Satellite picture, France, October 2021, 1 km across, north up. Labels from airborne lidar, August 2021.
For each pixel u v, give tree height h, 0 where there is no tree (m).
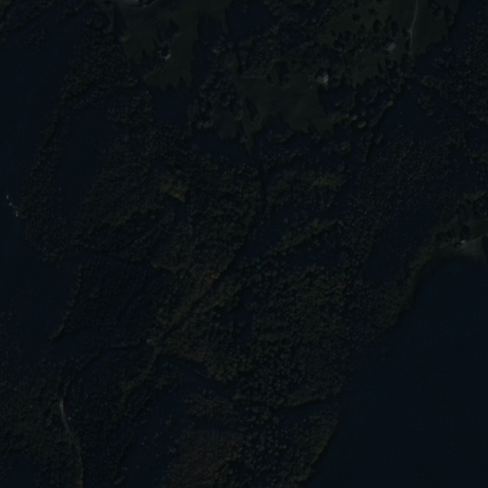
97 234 18
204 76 23
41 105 22
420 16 0
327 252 11
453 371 10
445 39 0
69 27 16
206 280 10
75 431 19
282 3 17
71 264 20
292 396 30
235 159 0
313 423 27
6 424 30
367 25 0
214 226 35
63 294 29
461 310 0
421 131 19
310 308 23
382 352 26
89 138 29
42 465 36
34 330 33
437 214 27
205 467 15
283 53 26
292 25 24
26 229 22
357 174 30
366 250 22
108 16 0
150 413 12
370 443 23
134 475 17
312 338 18
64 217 27
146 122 29
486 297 0
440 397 23
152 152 23
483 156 23
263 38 24
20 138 10
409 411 23
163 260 26
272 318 29
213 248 27
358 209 28
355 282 32
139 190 24
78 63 23
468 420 28
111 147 16
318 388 23
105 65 28
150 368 12
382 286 12
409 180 33
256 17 0
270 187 30
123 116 29
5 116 26
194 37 0
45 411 8
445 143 30
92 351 24
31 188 26
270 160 24
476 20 23
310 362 18
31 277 32
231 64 20
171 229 13
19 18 22
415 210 30
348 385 21
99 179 19
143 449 16
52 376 23
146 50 0
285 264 20
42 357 24
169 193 15
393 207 28
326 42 0
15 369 28
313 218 23
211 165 30
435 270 0
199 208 36
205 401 16
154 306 13
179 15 0
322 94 10
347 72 0
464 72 25
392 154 31
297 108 0
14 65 28
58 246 32
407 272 17
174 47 0
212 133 0
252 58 23
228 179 28
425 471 29
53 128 19
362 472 22
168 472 14
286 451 31
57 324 29
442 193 31
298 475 31
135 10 0
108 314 23
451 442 30
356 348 32
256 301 28
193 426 19
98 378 21
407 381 24
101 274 23
